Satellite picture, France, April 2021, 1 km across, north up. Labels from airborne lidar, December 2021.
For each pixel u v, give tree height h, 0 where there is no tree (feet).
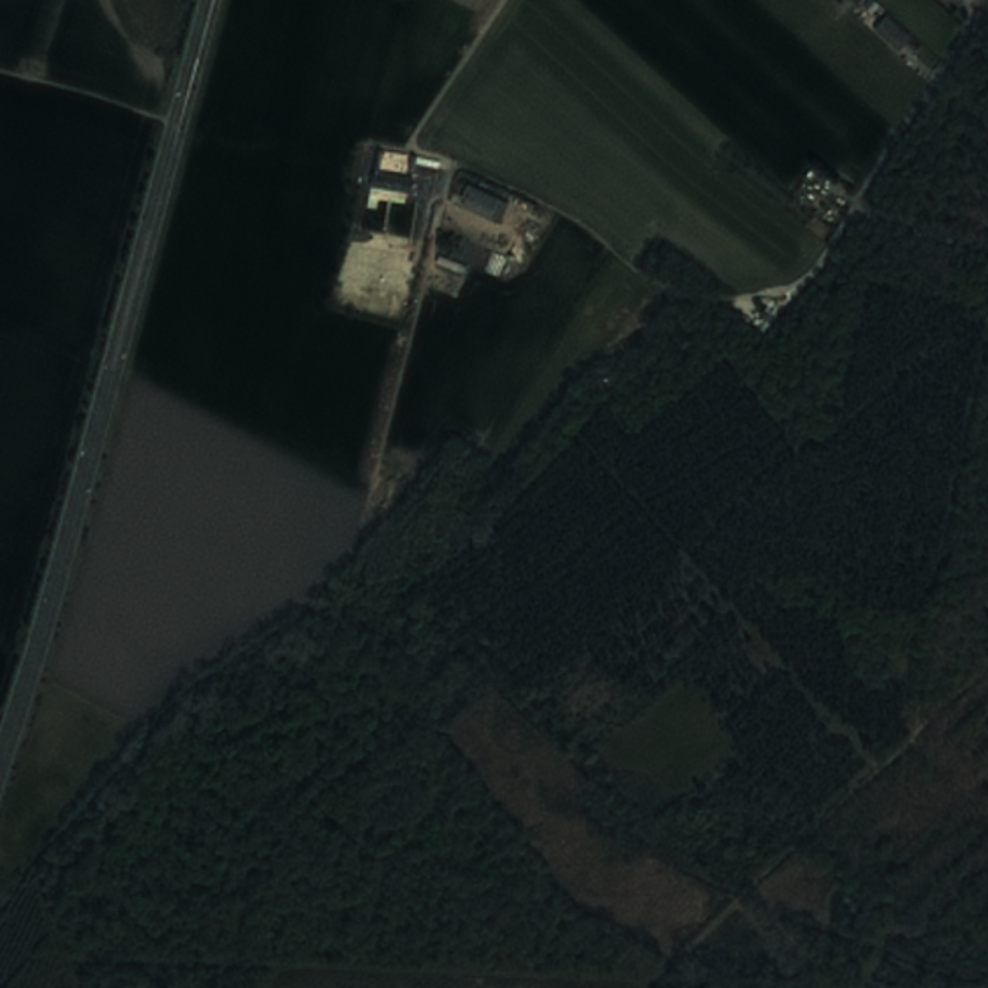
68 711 0
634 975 52
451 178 0
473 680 56
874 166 0
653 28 0
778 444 54
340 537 0
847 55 0
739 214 0
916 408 57
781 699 57
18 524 0
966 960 30
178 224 0
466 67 0
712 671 41
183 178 0
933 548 46
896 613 64
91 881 72
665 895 0
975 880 59
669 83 0
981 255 51
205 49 0
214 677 58
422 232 0
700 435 56
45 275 0
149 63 0
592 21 0
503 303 0
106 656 0
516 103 0
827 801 44
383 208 0
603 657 45
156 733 80
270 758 81
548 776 0
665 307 67
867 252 51
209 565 0
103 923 83
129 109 0
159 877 72
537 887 68
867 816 35
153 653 0
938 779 49
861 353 59
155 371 0
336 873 53
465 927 76
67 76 0
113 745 0
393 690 61
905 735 48
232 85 0
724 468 53
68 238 0
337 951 26
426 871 41
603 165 0
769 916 96
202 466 0
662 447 58
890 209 60
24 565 0
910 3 0
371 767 64
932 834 27
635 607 60
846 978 80
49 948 18
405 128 0
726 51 0
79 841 55
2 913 28
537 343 0
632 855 34
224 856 65
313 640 100
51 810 0
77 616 0
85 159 0
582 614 62
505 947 40
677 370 47
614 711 25
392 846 72
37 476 0
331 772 67
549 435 62
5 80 0
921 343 52
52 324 0
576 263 0
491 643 58
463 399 0
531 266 0
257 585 0
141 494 0
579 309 0
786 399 49
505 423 0
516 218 0
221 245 0
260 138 0
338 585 55
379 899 21
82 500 0
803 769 62
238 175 0
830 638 52
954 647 60
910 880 64
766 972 77
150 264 0
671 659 39
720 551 43
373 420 0
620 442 51
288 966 50
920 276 53
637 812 56
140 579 0
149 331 0
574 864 0
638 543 55
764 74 0
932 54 0
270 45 0
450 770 42
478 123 0
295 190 0
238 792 56
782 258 0
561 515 64
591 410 57
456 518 67
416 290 38
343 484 0
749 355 57
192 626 0
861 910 77
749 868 33
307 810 70
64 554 0
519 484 52
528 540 63
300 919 72
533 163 0
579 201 0
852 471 54
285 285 0
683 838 37
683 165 0
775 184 40
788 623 55
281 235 0
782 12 0
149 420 0
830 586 54
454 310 0
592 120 0
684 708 0
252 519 0
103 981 59
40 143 0
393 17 0
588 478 58
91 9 0
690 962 95
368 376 0
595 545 54
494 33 0
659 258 63
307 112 0
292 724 79
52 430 0
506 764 0
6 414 0
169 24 0
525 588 54
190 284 0
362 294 0
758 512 50
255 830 71
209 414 0
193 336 0
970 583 73
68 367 0
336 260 0
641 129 0
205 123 0
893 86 0
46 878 22
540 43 0
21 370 0
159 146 0
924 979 55
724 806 45
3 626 0
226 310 0
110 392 0
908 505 56
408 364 0
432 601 61
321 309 0
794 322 51
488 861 53
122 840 89
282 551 0
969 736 38
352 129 0
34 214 0
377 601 57
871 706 54
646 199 0
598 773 41
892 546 58
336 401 0
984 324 52
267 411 0
